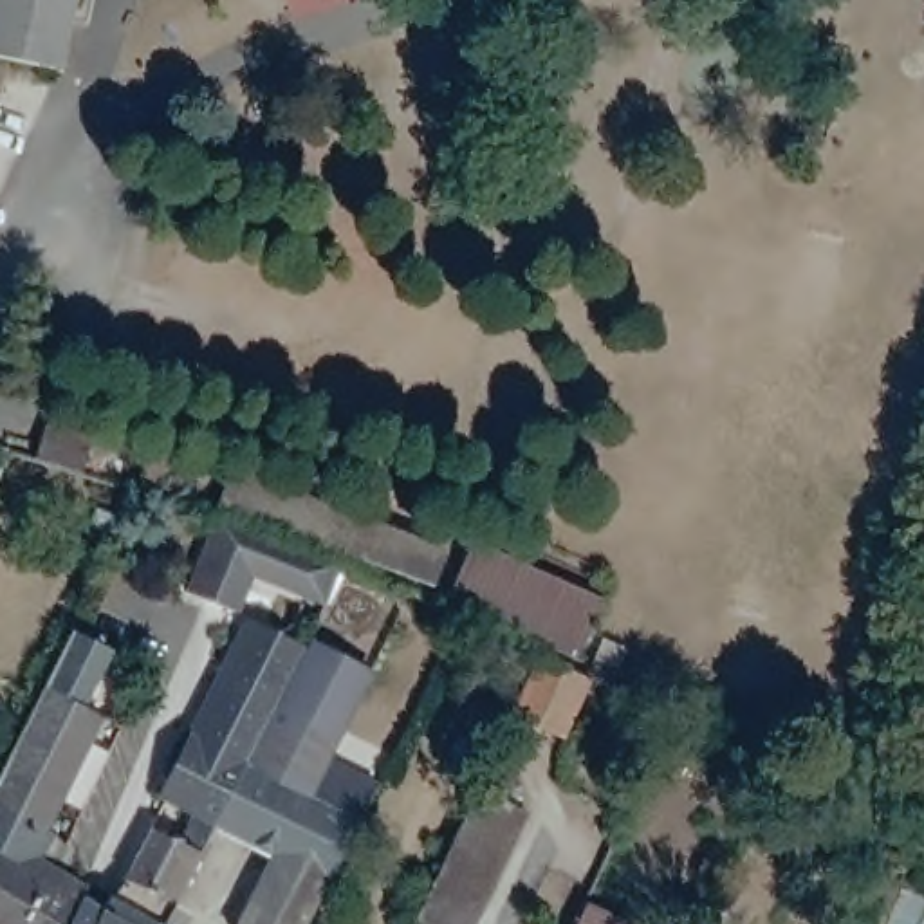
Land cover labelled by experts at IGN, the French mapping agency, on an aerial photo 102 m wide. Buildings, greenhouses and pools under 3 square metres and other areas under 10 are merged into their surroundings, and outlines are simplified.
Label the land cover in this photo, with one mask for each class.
<instances>
[{"label":"herbaceous vegetation","instance_id":"1","mask_svg":"<svg viewBox=\"0 0 924 924\"><path fill-rule=\"evenodd\" d=\"M347 0H137L116 61V83L141 79L155 51H180L191 61H199L202 54L245 40L249 29L260 22L292 25L303 14L332 11ZM505 0H451L440 25H411L408 32L401 25H390L386 36H368L350 47H336L321 58V65L350 69L339 83L343 97L365 101L368 94H375L379 108L393 126V141L383 152V159L347 155L343 148H336V126L321 130L303 152L292 141H267L278 97L271 90H256L249 97L242 79L224 94V101L238 116V126L227 141H206V159H235L238 166H282L285 184H332L339 202L328 206V231H318V256L328 260V253L343 245L350 274H325V282L314 292H289L263 282L260 263H249L242 256L199 260L195 253H188L177 231L170 238L148 231L144 285L137 289L141 300L134 303V310H108L101 300L87 292H61L51 314H43V339L32 343V354L54 361L65 347L90 339L97 350H126L144 357L148 365H184L188 372L206 368L213 375H227L231 404L224 419H217V437L256 440L263 455L278 451V415L292 401H310L325 393L336 444L328 451H318V473H336L343 466L350 430L368 415H397L404 426H430L433 433L473 430L476 440L491 448V473L480 484H473L469 494H491L502 505V513H520V502L505 491V476L516 462L523 426L574 422L581 415L599 411L603 401L614 397L628 411L632 433L621 444H603L599 451H592L588 440L578 444L574 455L559 466V480H574L585 466L599 462V469L617 487V509L599 531H581L567 523L556 509H549V556L538 563L541 574H552L567 585L599 596L592 642L581 657L578 671L592 679V693L574 729L581 736V758L592 776L603 769H610L614 776H635L642 772L639 751L610 718V693L617 686L722 689L725 715L733 718V733L700 765V772L693 765H682L668 790L642 809L635 827L650 841L624 855V870H606L599 895V906L624 924H635L653 917L657 910L686 913V906L697 902L700 884L689 881V855L697 848V837L689 812L697 809V798H733L744 776L758 772L765 744L783 718L812 715V704L830 700H841L845 711L859 707V686L852 668L859 664L863 642L870 639L866 614L877 599L881 563L895 556L899 531L910 523V516L895 513L892 498L906 484V451L924 415V0H841L837 7H812V22L834 25V40L852 54L855 101L837 108L830 126L823 130V144L816 152L819 170L805 184L787 177L772 162L790 141H805L794 119H783L787 97H769L758 90L754 79L736 76V51L729 47V40L707 51H668L661 43V29L646 22L642 0H581L574 18L585 36H596L599 54L592 72L578 83L574 101L567 108V119L581 126V152L567 166V177L574 180L578 195L549 217L509 220L480 235L466 220L430 224L422 202L437 188V177L430 170L437 166L440 144L451 141L462 126L466 101L484 94V79L462 58V47H469V36L476 29L502 22ZM675 123L689 137L704 166V188L679 206H664L635 195L621 166L628 162V141L671 130ZM386 188H393L411 209V235H404L390 253H383V260H375L354 217L365 213V206L379 199ZM599 235L621 256H628L635 271V278L624 282L617 296L592 300L585 307L574 285H559L549 292L559 321L531 336L484 332L473 318L462 314V285L480 282L487 274H527L549 242H567L570 249L588 253V245ZM411 253H426L448 274V289L426 307L401 300L390 282L411 260ZM642 303H653L661 310L664 347L610 350L603 336L614 328V321L635 314ZM570 339L585 350L592 368L556 386L549 365L538 354L549 347H567ZM249 390H267V411L260 426L235 422ZM40 65H32L25 61V54H0V90L7 79H32ZM123 469V455L90 448V455L76 466H14L7 473L0 469V523H7V516L18 509H29L32 491H51V476L72 480L79 502L101 509V494H108L112 487L108 473ZM444 476H401L393 484V494L401 505L390 516V523L397 531L415 534V505L440 491ZM97 527H90L83 538L87 545L108 541L126 523L123 516L101 509L94 513ZM466 552L455 545L448 552L440 581L433 588L426 585L415 603H408L397 588L383 592L375 585L347 578L336 603H285V610H267L260 624L285 632L300 642H321L365 664V689H372V700L357 707L347 736H361L379 751L393 754L408 736L433 679L422 675V664L430 657L426 632L440 628L466 603L480 606L484 599L462 588L458 581ZM69 581L58 574L18 570L0 556V689L18 671V661L25 646L36 639L43 614L58 606V596ZM505 707L502 693L487 686L473 689L458 704H444L437 711L430 736L411 744L404 783L383 787L379 816L386 823V834L408 855L401 870L408 877L426 873L433 881L444 859L451 855L462 823L444 816V798L451 794L448 780L458 776L462 758H469L473 751V729L487 718H498ZM736 863L747 870V881L722 910V924H769L772 863L762 848H744ZM578 881L559 866L523 863L520 881L509 895L520 924H559V910Z\"/></svg>","mask_w":924,"mask_h":924},{"label":"deciduous trees","instance_id":"2","mask_svg":"<svg viewBox=\"0 0 924 924\"><path fill-rule=\"evenodd\" d=\"M383 7L390 25H401L408 32L411 25H440L451 0H372ZM581 0H505L502 22L476 29L469 36V47H462V58L484 79V94L466 101L462 126L451 141L440 144L437 166L430 170L437 177V188L422 202L430 224L466 220L480 235L509 220L549 217L578 195L574 180L567 177V166L581 152V126L567 119V108L574 101L578 83L592 72L599 54L596 36H585L574 18ZM841 0H642L646 22L661 29V43L668 51H707L729 40V47L736 51V76L754 79L758 90L769 97H787L783 119H794L805 141H790L772 162L787 177L805 184L819 170L816 152L823 144V130L830 126L837 108L855 101L852 54L834 40V25L812 22V7H837ZM350 69L321 65V58L307 61L300 94L278 97L267 141H292L303 152L321 130L336 126V148H343L347 155L383 159V152L393 141V126L379 108L375 94H368L365 101L343 97L339 83ZM173 123L184 126V137L177 144L134 137L116 152V159L105 162L123 191L134 188L155 195V202L144 213H137V224L148 231L170 238L177 231L188 253H195L199 260L242 256L249 263H260L263 282L289 292H314L325 282V274H350L343 245L328 253V260L318 256V231H328V206L339 202L332 184H285L282 166H238L235 159H206V141H227L238 126V116L224 101V94L173 116ZM635 195L664 206H679L704 188V166L689 137L675 123L671 130L628 141V162L621 166ZM375 260H383V253H390L404 235H411V209L393 188H386L379 199L365 206V213L354 217ZM635 278V271L628 256H621L599 235L588 245V253L570 249L567 242H549L527 274H487L480 282L462 285V314L473 318L484 332L531 336L559 321L549 292L559 285H574L585 307L592 300L617 296L624 282ZM390 282L401 300L426 307L448 289V274L426 253H411V260ZM61 292L51 285V271L40 260L25 282V296H18L11 303V314L4 318L0 347V397L36 404V383L51 379L58 386V404L51 411L47 430L61 440L90 448L123 455V469L108 473L112 487L108 494H101V509L123 516L126 523L108 541L87 545L83 538L90 527H97L94 513L101 509L79 502L72 480L51 476V491H32L29 509H18L7 516V523H0V556L18 570L58 574L69 581L58 596V606L43 614L36 639L25 646L18 661V671L0 689V769L11 758L47 686V675L65 639L72 632L90 635V621L105 617V592L87 581L97 570L123 574L130 588H137L148 599L177 596L188 588L191 541L217 534H245L267 549L303 556L318 570L347 578L375 585L383 592L397 588L408 603H415L426 585H411L401 574H386V567L372 556L325 545L307 531H296L289 520L253 513L242 505H224V491L231 484L260 480L267 491L282 498H321L357 527L390 523V516L401 505L393 494V484L401 476H444L440 491L415 505V534L426 541H440L448 552L455 545L466 552L473 559H502L505 552L513 563H538L549 556V509H556L567 523L581 531H599L617 509V487L599 469V462L585 466L574 480H559V466L574 455L578 444L588 440L592 451H599L603 444H621L632 433L628 411L614 397L603 401L599 411L581 415L574 422L523 426L516 462L505 476V491L520 502V513H502V505L491 494H469L473 484H480L491 473V448L476 440L473 430L433 433L430 426H404L397 415H368L350 430L343 466L336 473H318V451H328L336 444L325 393L310 401H292L278 415V451L263 455L256 440L217 437V419H224L231 404L227 375H213L206 368L188 372L184 365H148L144 357L126 350H97L90 339L65 347L54 361L32 354V343L43 339V314H51ZM610 350L664 347L661 310L653 303H642L635 314L614 321V328L603 336ZM549 365L556 386L592 368L585 350L570 339L567 347H549L538 354ZM267 411V390H249L235 422L260 426ZM895 513L910 516V523L899 531L895 556L881 563L877 599L866 614L870 639L863 642L859 664L852 668L859 686V707L845 711L841 700H830L812 704V715L783 718L765 744L758 772L744 776L733 798H697V809L689 812L697 837V848L689 855V881L700 884L697 902L686 906V913L657 910L653 917L635 924H722V910L747 881V870L736 863L744 848H762L772 863L769 924H881L906 888L924 895V415L906 451V484L892 498ZM430 657L422 664V675L433 679H444V704H458L473 689L487 686L502 693L505 707L498 718H487L473 729V751L469 758H462L458 776L448 780L451 794L444 798V816L462 823L466 787L516 783L523 765L531 762L538 733L534 715L520 704L523 686L534 675L578 671L581 657L559 653L541 635H527L520 621L505 617L498 606L484 599L480 606L466 603L440 628L426 632ZM166 668L148 642L123 646L112 653L105 682L116 693V715L108 722L123 725H137L141 718H148L166 693ZM610 718L639 751L642 772L635 776H614L610 769H603L592 776L581 758V736L574 729L570 736L552 740L549 769V780L563 794L592 798L599 809V841L610 845L603 873L592 877V895H599L606 870H624V855L650 841L635 827L642 809L668 790L682 765H693L700 772V765L733 733V718L725 715L722 689L617 686L610 693ZM408 855L386 834V823L379 816L354 834L350 866L332 899H321L310 924H415L419 910L433 899V881L426 873L408 877L401 870Z\"/></svg>","mask_w":924,"mask_h":924},{"label":"building","instance_id":"3","mask_svg":"<svg viewBox=\"0 0 924 924\"><path fill-rule=\"evenodd\" d=\"M76 0H0V54H25V61L32 65V58L65 25V14H72ZM90 455V448L61 440L47 430L40 444V466H76ZM224 505H242L253 513L289 520L296 531H307L325 545L372 556L386 567V574H401L411 585H426L433 588L440 581L448 552L440 541H426L415 534L397 531L390 523L357 527L321 498H282L267 491L260 480L231 484L224 491ZM253 581L292 588V603H336L347 578L318 570L303 556L267 549L245 534H217L191 541L188 588L224 603L235 614L227 621V642L213 650L188 707L173 718L191 736L162 794L177 805V816H188V830L180 837L148 830L134 855L130 877L112 902L90 899V888H83L79 877L43 873L40 855H47L51 841H58L61 834L58 812L69 805V787L90 751V736L105 722V704L94 700V686L105 682L112 653L105 639L90 635L72 632L65 639L47 675V686L11 758L0 769V924H173L177 902L184 899L188 877L199 855L206 852L213 830H231L253 841L249 855L263 859V877L238 924H310L321 899H332L350 866L354 834L379 816L383 787V783L372 776L375 765H357L339 754V740L347 736L357 707L372 700V689H365V664L321 642H300L285 632L260 624L267 610L249 603ZM458 581L462 588L498 606L505 617L520 621L527 635H541L559 653L581 657L592 642L599 596L567 585L552 574H541L538 563H513L505 552L502 559H473L466 552ZM592 693V679L578 671L534 675L523 686L520 704L534 715L538 733L531 762L549 769L552 740L570 736L574 729ZM527 823V801L516 798V783L466 787L462 823L451 855L444 859L433 881V899L419 910L415 924H476ZM578 924H624L599 906H588Z\"/></svg>","mask_w":924,"mask_h":924},{"label":"impervious surface","instance_id":"4","mask_svg":"<svg viewBox=\"0 0 924 924\"><path fill-rule=\"evenodd\" d=\"M137 0H76L72 14H65V25L32 58V65H40L32 79H7L0 90V347L4 318L11 314V303L18 296H25V282L40 260L51 271V285L61 292H87L101 300L108 310H134V303L141 300L137 289L144 285L148 231L137 224V213H144L155 202V195L134 188L123 191L105 162L116 159V152L134 137L177 144L184 137V126L173 123V116L224 94L242 79L249 97L256 90H271L278 97L300 94L307 61L321 58L336 47H350L368 36H386L390 25L383 7L372 0H347L332 11L303 14L292 25L260 22L249 29L245 40L202 54L199 61H191L180 51H155L141 79L116 83V61ZM36 404L0 397V469L7 473L14 466H40V444L47 430L51 411L58 404V386L51 379L36 383ZM87 581L105 592V617L90 621V635L105 639L112 653L123 646L148 642L166 668V693L148 718H141L137 725H123L108 722L116 715V693L105 682L94 686V700L105 704V722L90 736V751L69 787V805L58 812L61 834L58 841H51L47 855H40L43 873L79 877L83 888H90V899L112 902L130 877L134 855L148 830L180 837L188 830V816H177V805L162 794L191 736L173 718L188 707L213 650L227 642V621L235 614L224 603L188 588L177 596L148 599L137 588H130L123 574L97 570ZM292 588L253 581L249 603L267 610H285V603H292ZM339 754L357 765H375L372 776L383 783L393 754L379 751L361 736H347L339 740ZM516 798L527 801V823L476 924H520L509 895L520 881L523 863L559 866L578 881L559 910V924H578L588 906H599V895H592V877L603 873L610 845L599 841V809L592 798L563 794L549 780V769L531 762L523 765L516 783ZM253 841L231 830H213L206 852L199 855L188 877L184 899L177 902L173 924H238L263 877V859L249 855Z\"/></svg>","mask_w":924,"mask_h":924},{"label":"brushwood","instance_id":"5","mask_svg":"<svg viewBox=\"0 0 924 924\"><path fill-rule=\"evenodd\" d=\"M444 704V679H433L408 736L393 754L383 783V787L404 783L411 744L430 736L437 711Z\"/></svg>","mask_w":924,"mask_h":924},{"label":"greenhouse","instance_id":"6","mask_svg":"<svg viewBox=\"0 0 924 924\"><path fill-rule=\"evenodd\" d=\"M881 924H924V895L906 888Z\"/></svg>","mask_w":924,"mask_h":924}]
</instances>
